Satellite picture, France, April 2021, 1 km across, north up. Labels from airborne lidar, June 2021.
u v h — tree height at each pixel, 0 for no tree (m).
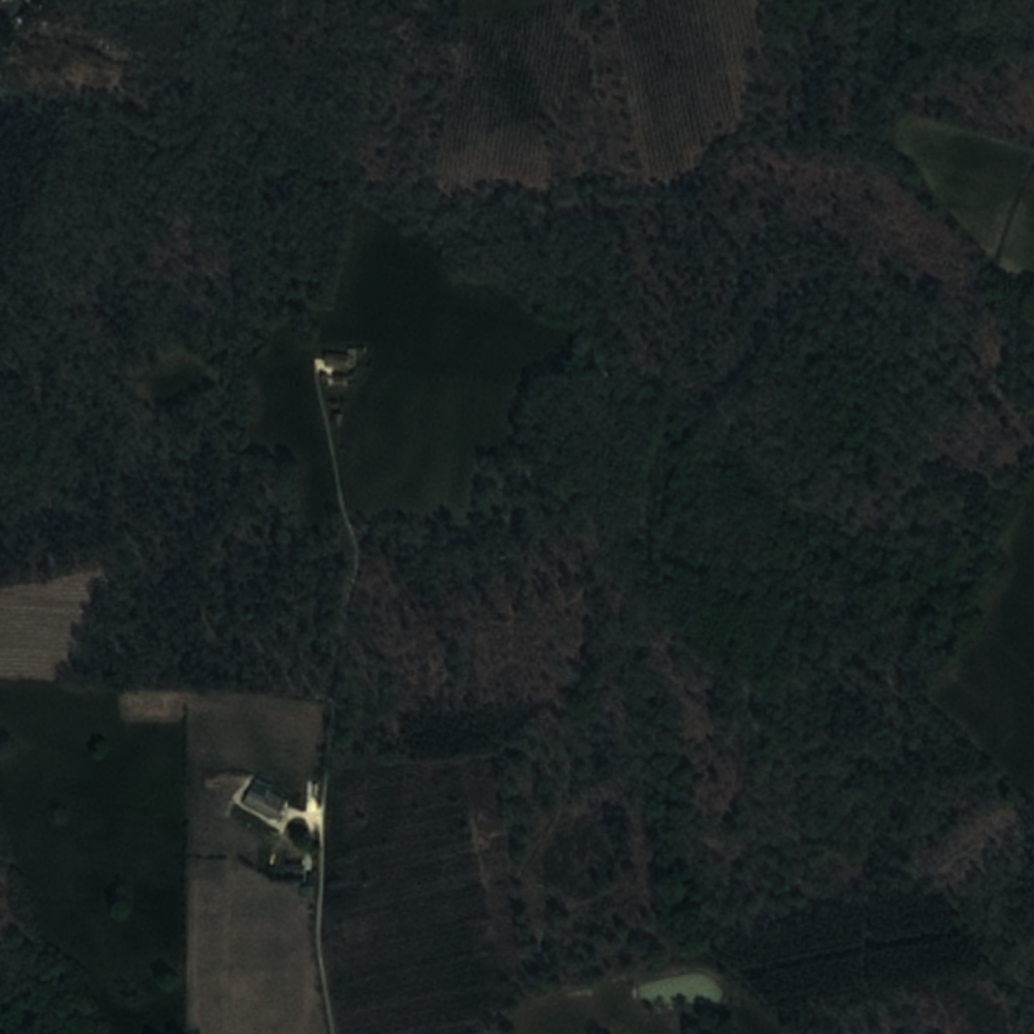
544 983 21
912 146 0
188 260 9
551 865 0
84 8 17
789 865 19
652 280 6
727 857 8
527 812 13
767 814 16
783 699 15
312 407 0
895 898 12
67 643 0
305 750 0
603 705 19
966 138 0
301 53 10
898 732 16
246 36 7
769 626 22
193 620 24
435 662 10
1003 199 0
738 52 0
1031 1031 18
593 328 19
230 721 0
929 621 22
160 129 23
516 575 30
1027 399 19
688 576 19
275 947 0
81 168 22
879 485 23
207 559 25
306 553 26
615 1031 0
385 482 0
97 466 26
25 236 22
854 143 16
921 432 17
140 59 11
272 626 26
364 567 11
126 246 19
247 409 20
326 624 18
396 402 0
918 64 18
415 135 14
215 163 17
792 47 10
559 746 20
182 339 22
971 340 14
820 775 16
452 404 0
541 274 16
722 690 18
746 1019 0
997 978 13
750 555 21
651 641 8
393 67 17
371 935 0
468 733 8
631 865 26
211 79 16
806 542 24
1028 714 0
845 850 21
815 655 16
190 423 28
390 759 19
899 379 20
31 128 24
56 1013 25
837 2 24
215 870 0
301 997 0
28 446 21
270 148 28
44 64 12
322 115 17
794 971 16
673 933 23
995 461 14
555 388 22
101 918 0
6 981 21
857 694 13
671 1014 0
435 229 22
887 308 9
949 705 0
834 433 14
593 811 12
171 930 0
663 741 24
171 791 0
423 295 0
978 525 21
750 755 17
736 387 15
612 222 16
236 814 0
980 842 0
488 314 0
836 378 20
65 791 0
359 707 18
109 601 25
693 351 22
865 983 16
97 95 14
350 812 0
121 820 0
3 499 14
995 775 19
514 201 21
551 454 27
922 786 16
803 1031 25
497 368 0
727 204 24
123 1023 0
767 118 11
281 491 26
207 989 0
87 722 0
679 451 22
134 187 21
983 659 0
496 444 0
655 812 23
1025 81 10
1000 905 13
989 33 16
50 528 20
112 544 25
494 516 15
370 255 0
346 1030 0
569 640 17
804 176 11
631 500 21
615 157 13
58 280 23
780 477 11
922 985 11
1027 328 21
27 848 0
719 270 10
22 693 0
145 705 0
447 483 0
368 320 0
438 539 25
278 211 22
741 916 10
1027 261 0
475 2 0
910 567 12
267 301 7
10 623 0
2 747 16
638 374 18
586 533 22
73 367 18
